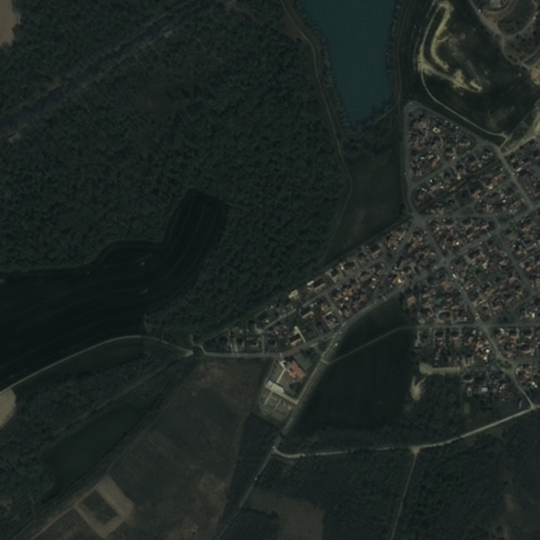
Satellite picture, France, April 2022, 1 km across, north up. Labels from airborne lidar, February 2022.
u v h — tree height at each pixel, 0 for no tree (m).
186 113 24
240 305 16
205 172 19
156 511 0
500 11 0
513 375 0
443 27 0
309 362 0
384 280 0
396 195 0
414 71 0
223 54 13
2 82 5
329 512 10
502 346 0
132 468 0
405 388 0
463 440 10
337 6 0
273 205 9
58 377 0
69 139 16
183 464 0
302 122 22
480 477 16
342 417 0
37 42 22
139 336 0
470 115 0
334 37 0
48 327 0
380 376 0
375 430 14
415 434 19
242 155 24
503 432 0
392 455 15
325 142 11
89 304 0
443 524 17
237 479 9
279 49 18
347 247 0
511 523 0
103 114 13
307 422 0
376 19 0
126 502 0
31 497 0
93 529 0
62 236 14
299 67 21
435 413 12
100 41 18
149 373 12
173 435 0
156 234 10
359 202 0
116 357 0
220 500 0
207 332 17
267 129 23
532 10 0
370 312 0
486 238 0
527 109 0
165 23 0
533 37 6
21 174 17
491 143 0
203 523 0
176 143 24
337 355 0
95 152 22
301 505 0
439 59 0
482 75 0
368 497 21
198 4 15
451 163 0
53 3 19
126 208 21
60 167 20
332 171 14
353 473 16
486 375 0
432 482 20
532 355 0
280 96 16
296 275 18
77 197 21
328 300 0
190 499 0
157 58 22
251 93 26
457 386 12
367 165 0
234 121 25
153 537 0
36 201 20
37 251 19
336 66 0
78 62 20
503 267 9
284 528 0
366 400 0
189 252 0
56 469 0
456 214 0
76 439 0
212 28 7
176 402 0
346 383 0
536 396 14
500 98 0
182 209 0
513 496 0
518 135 0
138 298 0
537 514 0
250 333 0
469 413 0
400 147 0
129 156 24
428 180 0
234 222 11
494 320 0
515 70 0
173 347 15
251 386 0
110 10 17
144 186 13
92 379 8
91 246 13
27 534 0
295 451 0
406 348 0
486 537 16
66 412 17
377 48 0
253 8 12
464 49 0
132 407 0
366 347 0
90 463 0
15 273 0
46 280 0
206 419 0
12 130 16
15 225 19
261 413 0
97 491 0
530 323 0
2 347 0
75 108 21
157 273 0
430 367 0
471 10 0
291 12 0
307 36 0
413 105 0
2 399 0
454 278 0
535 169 0
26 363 0
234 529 14
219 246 5
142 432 0
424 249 0
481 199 0
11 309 0
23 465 17
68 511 0
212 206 0
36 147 25
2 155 16
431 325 0
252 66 24
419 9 0
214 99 26
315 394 0
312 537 0
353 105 0
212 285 20
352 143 11
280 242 11
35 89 22
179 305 19
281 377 0
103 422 0
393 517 9
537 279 0
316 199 7
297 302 0
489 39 0
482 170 0
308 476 12
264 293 13
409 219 6
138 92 23
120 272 0
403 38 0
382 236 8
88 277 0
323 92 0
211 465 0
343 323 0
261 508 0
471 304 0
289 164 18
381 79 0
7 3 0
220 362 0
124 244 0
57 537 0
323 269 0
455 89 0
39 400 15
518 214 0
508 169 0
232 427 0
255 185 11
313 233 17
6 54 18
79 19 23
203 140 26
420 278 0
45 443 12
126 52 24
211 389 0
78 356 0
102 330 0
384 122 7
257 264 15
